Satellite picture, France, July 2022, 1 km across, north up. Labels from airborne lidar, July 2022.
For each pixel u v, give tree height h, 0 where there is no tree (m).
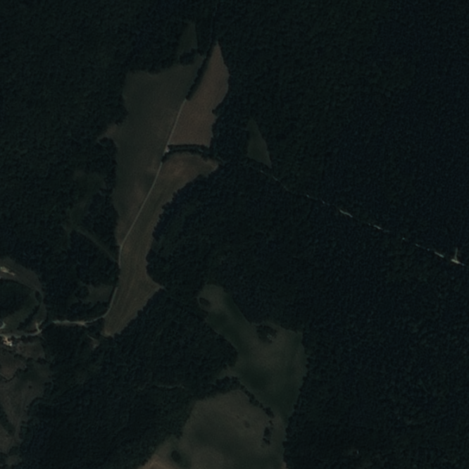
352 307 13
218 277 12
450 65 21
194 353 8
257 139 0
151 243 0
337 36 19
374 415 17
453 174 21
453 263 8
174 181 0
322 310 17
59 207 10
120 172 0
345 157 24
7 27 27
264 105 24
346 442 8
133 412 18
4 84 15
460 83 22
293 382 0
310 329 19
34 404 7
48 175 15
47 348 7
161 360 13
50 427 13
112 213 23
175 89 0
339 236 17
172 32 20
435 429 21
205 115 0
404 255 17
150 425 11
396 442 14
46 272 16
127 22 15
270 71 21
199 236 8
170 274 12
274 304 16
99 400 19
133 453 14
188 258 16
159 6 21
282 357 0
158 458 0
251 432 0
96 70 7
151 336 17
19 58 11
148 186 0
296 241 12
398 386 12
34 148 13
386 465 11
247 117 17
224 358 13
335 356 21
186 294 10
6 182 13
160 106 0
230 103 16
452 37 21
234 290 16
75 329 9
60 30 17
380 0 16
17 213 19
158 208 0
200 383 22
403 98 20
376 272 15
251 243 9
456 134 21
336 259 21
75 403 9
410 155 15
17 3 13
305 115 17
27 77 14
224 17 9
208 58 7
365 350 14
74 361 8
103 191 16
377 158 19
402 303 15
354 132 18
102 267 21
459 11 19
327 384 18
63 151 13
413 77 16
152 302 16
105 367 18
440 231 19
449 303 19
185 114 0
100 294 0
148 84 0
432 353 16
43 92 16
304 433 8
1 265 0
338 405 15
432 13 23
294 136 14
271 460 0
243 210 15
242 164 12
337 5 14
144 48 23
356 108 21
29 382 0
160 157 0
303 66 18
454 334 18
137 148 0
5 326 0
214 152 17
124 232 0
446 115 17
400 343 12
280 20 26
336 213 14
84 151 18
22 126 13
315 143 12
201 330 17
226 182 19
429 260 16
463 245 16
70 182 15
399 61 15
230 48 19
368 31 19
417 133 21
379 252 15
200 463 0
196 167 0
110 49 16
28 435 8
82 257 15
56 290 13
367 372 17
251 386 0
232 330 0
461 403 21
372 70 21
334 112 19
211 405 0
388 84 20
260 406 7
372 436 8
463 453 19
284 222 15
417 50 19
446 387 15
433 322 17
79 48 16
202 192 18
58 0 14
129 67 17
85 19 13
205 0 18
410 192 21
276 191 17
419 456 18
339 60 16
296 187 18
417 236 18
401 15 20
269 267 21
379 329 18
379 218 24
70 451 13
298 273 16
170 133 0
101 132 14
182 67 0
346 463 6
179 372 22
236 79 17
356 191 23
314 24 21
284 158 16
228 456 0
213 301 0
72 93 14
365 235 18
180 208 20
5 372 0
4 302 8
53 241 20
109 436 16
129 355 17
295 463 12
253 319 17
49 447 16
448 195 24
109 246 24
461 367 21
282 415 0
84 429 13
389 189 17
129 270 0
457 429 16
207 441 0
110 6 13
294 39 21
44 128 12
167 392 7
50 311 9
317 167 16
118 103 16
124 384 16
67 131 12
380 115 19
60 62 16
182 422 7
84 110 17
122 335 9
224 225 13
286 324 10
